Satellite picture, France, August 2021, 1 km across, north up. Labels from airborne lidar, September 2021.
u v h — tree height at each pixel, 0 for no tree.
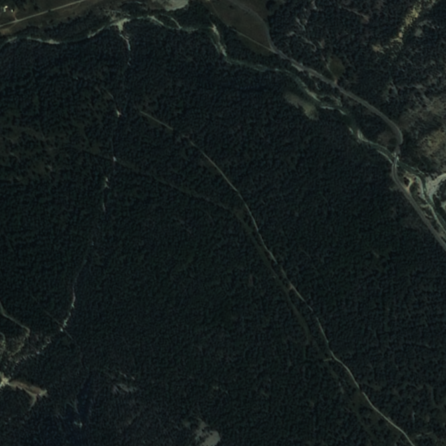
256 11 0
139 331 15
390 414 7
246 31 0
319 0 14
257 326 19
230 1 0
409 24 6
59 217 11
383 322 17
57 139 9
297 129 13
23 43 14
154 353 15
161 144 17
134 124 19
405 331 20
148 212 20
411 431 7
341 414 19
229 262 15
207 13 9
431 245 12
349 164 10
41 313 26
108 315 19
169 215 21
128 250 17
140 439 7
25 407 10
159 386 15
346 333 21
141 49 12
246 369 17
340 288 21
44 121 23
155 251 17
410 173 0
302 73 11
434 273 17
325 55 19
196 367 19
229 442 7
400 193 12
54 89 21
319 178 17
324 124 9
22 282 21
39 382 14
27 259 18
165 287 19
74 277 11
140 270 18
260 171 12
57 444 11
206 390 18
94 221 16
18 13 0
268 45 0
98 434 11
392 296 17
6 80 18
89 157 9
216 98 13
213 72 22
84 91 19
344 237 19
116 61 12
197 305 20
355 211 19
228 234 14
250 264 17
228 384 18
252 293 15
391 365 17
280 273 16
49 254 16
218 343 13
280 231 20
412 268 20
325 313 22
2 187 19
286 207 10
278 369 23
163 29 11
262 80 13
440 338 19
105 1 0
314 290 15
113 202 18
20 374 10
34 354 14
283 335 16
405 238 20
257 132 18
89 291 17
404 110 8
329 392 16
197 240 19
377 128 8
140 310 15
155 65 20
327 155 17
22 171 16
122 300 17
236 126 15
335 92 8
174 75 18
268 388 14
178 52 12
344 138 12
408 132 5
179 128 18
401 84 19
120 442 14
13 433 10
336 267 21
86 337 17
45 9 0
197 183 21
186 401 17
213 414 17
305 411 21
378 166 6
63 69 16
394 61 8
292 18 11
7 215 27
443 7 7
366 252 21
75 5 0
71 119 7
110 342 15
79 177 8
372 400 18
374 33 15
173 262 15
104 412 11
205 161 18
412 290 14
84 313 16
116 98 15
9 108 20
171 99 13
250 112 19
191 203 21
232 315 22
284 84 18
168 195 13
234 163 12
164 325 18
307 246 17
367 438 14
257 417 20
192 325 22
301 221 18
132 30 14
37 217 16
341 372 12
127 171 12
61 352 13
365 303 17
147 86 19
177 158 19
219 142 19
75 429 8
